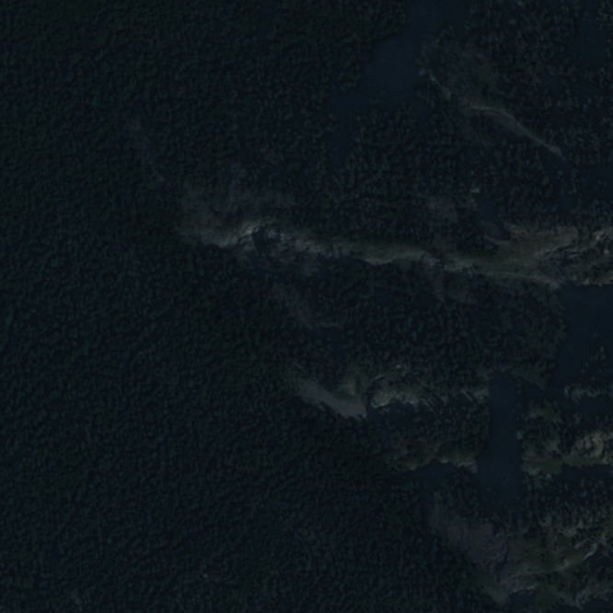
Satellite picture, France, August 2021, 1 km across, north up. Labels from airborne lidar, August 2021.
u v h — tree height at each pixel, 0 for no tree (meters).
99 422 24
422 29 14
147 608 21
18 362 30
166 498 27
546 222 6
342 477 17
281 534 16
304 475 20
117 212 15
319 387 0
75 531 18
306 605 14
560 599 0
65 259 18
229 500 19
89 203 23
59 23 26
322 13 25
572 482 13
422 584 20
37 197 26
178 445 31
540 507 12
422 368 17
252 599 13
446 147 23
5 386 31
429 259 0
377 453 23
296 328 6
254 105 12
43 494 13
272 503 25
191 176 15
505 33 6
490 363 14
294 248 0
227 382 24
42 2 25
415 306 15
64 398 26
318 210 21
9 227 28
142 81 23
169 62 15
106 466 28
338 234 10
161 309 14
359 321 13
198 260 28
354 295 20
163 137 27
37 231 26
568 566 0
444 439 18
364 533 23
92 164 27
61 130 32
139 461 28
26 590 6
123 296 26
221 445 20
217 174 18
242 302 25
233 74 13
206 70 23
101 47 25
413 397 0
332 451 11
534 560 0
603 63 8
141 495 23
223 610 17
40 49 19
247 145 18
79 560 19
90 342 22
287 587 21
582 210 10
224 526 20
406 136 15
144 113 17
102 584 21
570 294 0
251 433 17
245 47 17
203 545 26
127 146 25
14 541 24
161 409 26
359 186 25
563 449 8
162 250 13
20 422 26
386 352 9
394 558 19
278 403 19
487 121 11
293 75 28
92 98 24
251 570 19
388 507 8
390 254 0
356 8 26
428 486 17
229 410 22
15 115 33
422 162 7
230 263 13
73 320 20
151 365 24
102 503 24
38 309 11
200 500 14
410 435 14
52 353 28
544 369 9
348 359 11
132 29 20
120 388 16
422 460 7
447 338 31
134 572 21
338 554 10
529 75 8
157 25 26
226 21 24
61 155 24
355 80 25
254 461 20
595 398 16
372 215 24
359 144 31
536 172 10
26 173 27
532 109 16
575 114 12
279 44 25
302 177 14
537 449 6
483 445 14
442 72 7
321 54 15
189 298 14
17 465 20
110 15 30
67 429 26
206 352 25
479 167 11
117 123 11
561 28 8
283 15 17
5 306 21
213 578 20
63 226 18
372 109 14
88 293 22
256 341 12
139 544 23
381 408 0
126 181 19
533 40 7
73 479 24
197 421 13
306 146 20
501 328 9
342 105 7
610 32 8
